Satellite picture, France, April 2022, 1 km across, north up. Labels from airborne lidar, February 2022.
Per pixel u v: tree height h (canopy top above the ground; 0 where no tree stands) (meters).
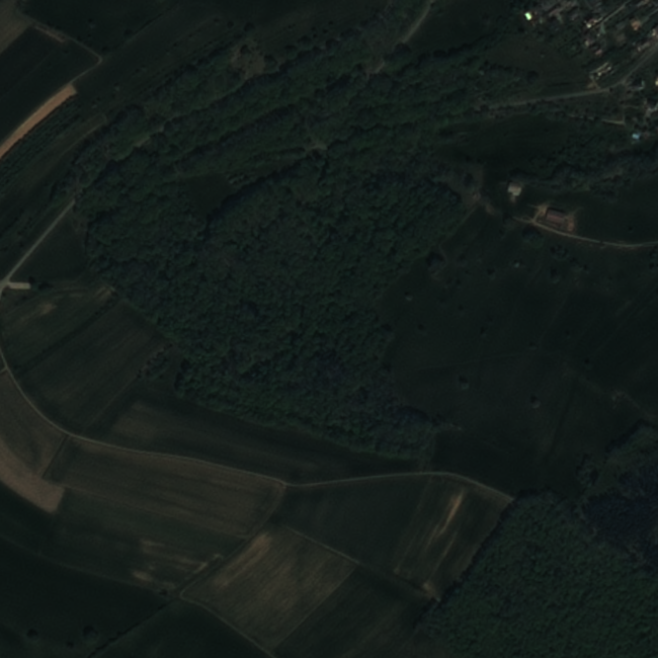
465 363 0
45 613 0
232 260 32
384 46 17
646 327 0
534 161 8
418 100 22
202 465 0
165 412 0
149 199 21
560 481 0
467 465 0
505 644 27
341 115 17
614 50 8
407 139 26
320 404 26
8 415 0
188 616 0
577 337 0
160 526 0
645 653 21
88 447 0
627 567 24
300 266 31
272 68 16
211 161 24
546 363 0
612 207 0
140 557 0
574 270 9
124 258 17
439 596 0
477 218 0
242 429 0
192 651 0
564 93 0
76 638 0
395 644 0
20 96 0
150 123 7
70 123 6
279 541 0
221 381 25
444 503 0
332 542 0
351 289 27
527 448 0
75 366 0
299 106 6
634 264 0
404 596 0
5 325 0
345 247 26
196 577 0
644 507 24
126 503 0
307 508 0
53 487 0
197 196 0
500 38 6
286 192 29
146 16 0
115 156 16
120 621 0
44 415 0
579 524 23
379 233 28
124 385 0
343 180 34
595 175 20
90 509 0
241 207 27
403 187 24
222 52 16
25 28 0
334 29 7
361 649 0
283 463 0
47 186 6
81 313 0
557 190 9
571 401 0
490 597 26
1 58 0
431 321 0
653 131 8
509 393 0
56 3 0
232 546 0
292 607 0
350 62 21
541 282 0
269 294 30
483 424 0
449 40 0
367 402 30
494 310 0
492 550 23
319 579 0
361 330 23
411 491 0
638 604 23
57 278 0
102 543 0
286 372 31
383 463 0
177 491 0
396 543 0
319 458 0
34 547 0
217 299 28
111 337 0
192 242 22
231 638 0
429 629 20
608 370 0
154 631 0
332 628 0
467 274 12
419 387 0
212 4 0
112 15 0
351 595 0
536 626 26
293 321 26
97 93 0
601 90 0
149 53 0
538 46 0
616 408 0
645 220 0
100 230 19
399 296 0
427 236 24
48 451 0
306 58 20
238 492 0
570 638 23
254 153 18
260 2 0
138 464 0
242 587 0
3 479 0
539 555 25
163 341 0
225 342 29
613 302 0
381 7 0
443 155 0
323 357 28
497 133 0
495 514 0
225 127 23
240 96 24
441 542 0
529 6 7
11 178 8
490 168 0
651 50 0
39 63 0
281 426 7
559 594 26
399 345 0
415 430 26
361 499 0
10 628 0
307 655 0
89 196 16
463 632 23
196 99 25
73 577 0
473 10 0
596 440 0
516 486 0
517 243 0
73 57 0
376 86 19
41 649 0
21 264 0
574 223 0
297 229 28
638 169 18
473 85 8
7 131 0
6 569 0
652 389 0
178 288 23
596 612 21
